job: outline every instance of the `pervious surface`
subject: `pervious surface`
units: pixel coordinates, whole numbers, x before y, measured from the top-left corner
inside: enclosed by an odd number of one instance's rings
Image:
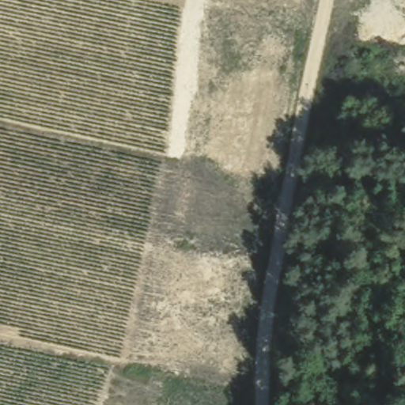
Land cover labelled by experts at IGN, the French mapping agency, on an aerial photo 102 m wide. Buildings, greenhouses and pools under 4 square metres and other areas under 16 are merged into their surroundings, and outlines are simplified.
[[[308,109],[315,93],[334,0],[320,0],[299,90],[302,111]]]
[[[166,139],[168,157],[179,158],[184,155],[191,98],[195,97],[198,90],[201,36],[199,22],[204,19],[204,14],[209,9],[209,0],[185,0],[177,30],[171,123],[168,130],[169,138]]]
[[[261,346],[256,348],[255,405],[272,405],[272,402],[269,402],[269,348]]]
[[[370,41],[380,36],[392,43],[405,44],[405,0],[372,0],[367,8],[362,9],[359,17],[359,40]]]

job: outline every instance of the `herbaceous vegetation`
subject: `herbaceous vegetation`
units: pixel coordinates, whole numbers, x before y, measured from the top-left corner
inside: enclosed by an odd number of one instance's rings
[[[108,362],[109,372],[115,372],[115,378],[111,381],[109,397],[104,405],[255,405],[256,348],[261,346],[269,348],[269,402],[272,402],[278,399],[277,381],[280,381],[282,359],[290,358],[294,339],[293,334],[288,331],[280,326],[278,320],[274,320],[274,308],[280,307],[286,297],[283,285],[286,283],[288,258],[282,252],[283,240],[285,212],[288,207],[296,206],[299,196],[307,195],[313,185],[310,177],[302,179],[301,176],[297,176],[297,169],[301,168],[301,158],[320,153],[327,141],[339,138],[335,134],[335,120],[339,119],[346,98],[375,98],[377,95],[384,98],[400,95],[402,100],[405,100],[405,44],[392,43],[380,36],[370,41],[359,40],[359,17],[362,9],[367,8],[372,0],[334,0],[315,93],[308,109],[302,111],[299,90],[320,0],[209,0],[209,9],[204,14],[204,19],[199,22],[201,36],[198,90],[195,97],[191,98],[184,155],[179,158],[168,157],[158,157],[160,166],[149,207],[149,226],[144,240],[146,244],[142,248],[141,263],[136,274],[120,356],[108,356],[57,343],[25,339],[19,335],[17,327],[0,324],[0,340],[22,348],[74,354],[79,358],[98,358]]]

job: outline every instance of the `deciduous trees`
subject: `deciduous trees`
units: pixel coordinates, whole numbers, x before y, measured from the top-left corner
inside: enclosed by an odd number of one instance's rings
[[[296,215],[296,206],[288,207],[285,212],[283,240],[290,240],[291,234],[294,234],[294,229],[290,228],[290,221]]]
[[[293,359],[290,358],[282,359],[280,381],[277,381],[278,399],[272,402],[272,405],[405,405],[405,220],[396,221],[396,226],[403,228],[400,233],[394,236],[381,234],[380,239],[392,245],[389,250],[378,250],[375,258],[367,256],[367,266],[356,267],[358,274],[353,278],[361,286],[351,294],[350,312],[335,318],[342,323],[339,332],[342,334],[342,346],[346,350],[345,359],[337,361],[335,340],[327,345],[315,346],[308,353],[302,353],[305,362],[302,362],[301,369],[294,370]]]
[[[405,127],[405,100],[402,100],[400,95],[384,98],[377,95],[375,98],[386,109],[391,119],[391,122],[384,123],[384,131],[389,133],[397,127],[402,130]]]
[[[280,326],[288,331],[293,327],[290,320],[294,318],[293,312],[299,307],[286,297],[280,307],[274,308],[274,320],[278,320]]]

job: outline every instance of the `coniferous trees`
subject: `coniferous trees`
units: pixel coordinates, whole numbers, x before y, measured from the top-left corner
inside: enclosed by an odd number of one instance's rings
[[[342,346],[342,334],[339,332],[342,323],[335,318],[350,312],[351,294],[361,286],[353,278],[358,274],[356,267],[367,266],[367,256],[375,258],[378,250],[389,250],[392,245],[380,239],[381,234],[394,236],[400,233],[403,228],[396,226],[396,221],[405,220],[405,127],[402,130],[397,127],[389,133],[384,131],[384,123],[391,122],[391,119],[386,109],[375,98],[346,98],[339,119],[335,120],[335,134],[339,138],[327,141],[320,153],[301,158],[301,168],[297,169],[297,176],[301,176],[302,179],[310,177],[313,185],[307,195],[299,196],[296,206],[296,215],[290,221],[290,228],[294,229],[294,234],[291,234],[290,240],[283,240],[282,252],[288,258],[286,283],[283,285],[286,297],[299,307],[293,312],[294,318],[290,320],[293,327],[288,331],[293,334],[294,339],[290,358],[293,359],[294,370],[301,369],[302,362],[305,362],[302,353],[308,353],[315,346],[327,345],[335,340],[337,361],[345,359],[346,350]]]

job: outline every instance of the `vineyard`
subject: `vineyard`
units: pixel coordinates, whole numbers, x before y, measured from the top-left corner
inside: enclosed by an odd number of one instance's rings
[[[111,381],[115,378],[115,372],[109,372],[108,362],[98,358],[79,358],[74,354],[22,348],[0,340],[0,405],[104,405],[109,397]]]
[[[120,356],[136,274],[141,263],[142,248],[146,244],[144,240],[149,226],[149,207],[160,166],[158,157],[168,157],[166,139],[169,138],[168,130],[171,123],[177,30],[185,0],[0,0],[0,324],[17,327],[19,335],[25,339],[57,343],[108,356]]]

